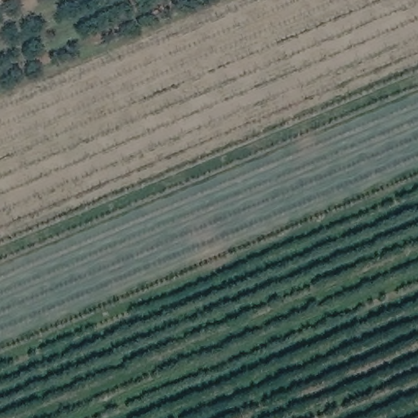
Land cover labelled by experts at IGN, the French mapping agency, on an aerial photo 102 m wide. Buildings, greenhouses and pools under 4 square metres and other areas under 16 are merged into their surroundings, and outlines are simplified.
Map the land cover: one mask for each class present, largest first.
<instances>
[{"label":"deciduous trees","instance_id":"1","mask_svg":"<svg viewBox=\"0 0 418 418\"><path fill-rule=\"evenodd\" d=\"M21 0H0V20L3 13L15 15L16 11H20ZM222 0H59L54 13L56 21L72 18L75 21L73 28L85 38L101 34L103 42L122 36L131 39L149 34L153 28L183 20L199 8L209 7ZM46 23L44 18L28 13L21 21H7L0 31V96L5 95L7 91L15 90L16 85L23 83L26 78H39L42 73L41 29ZM80 56L77 41L72 39L59 49L49 51L52 64L77 59ZM418 168V64L405 67L400 72L390 73L387 77L348 91L345 95L335 96L325 103L302 109L291 118H284L271 126H266L263 131H253L240 139L230 140L227 144L212 149L211 152L201 153L191 160L165 168L157 175L147 176L131 185L113 189L91 201L69 207L67 211L57 212L46 219L26 225L24 229L0 237V341L16 338L24 331L54 322L67 313L78 312L87 305L103 302L108 297L126 292L140 282L152 281L175 269L188 266V261L183 256L186 253L211 247L220 240H224L227 247H233L260 233L271 232L279 225L287 224L289 220L300 219L310 212L325 209L328 204H336L349 196L366 191L371 186L392 180L403 171ZM211 225L216 233L214 237L202 242H188L186 235L201 232ZM418 191V183L398 189L387 198L372 202L371 206L364 209L322 222L307 232L294 233L279 242L269 243L261 250L251 251L248 255L220 266L211 273L202 274L171 291L160 292L155 296L127 304L129 312L152 302L176 296L191 287L199 286L201 282L211 281L220 273L247 265L255 258H261L269 255L271 251L313 237L323 230H330L336 225L366 216L369 212L376 211L377 207L387 206L390 202ZM418 209V201L395 207L394 211L385 212L371 222L356 225L353 229L345 230L333 237L323 238L304 250L282 256L279 260L269 261L266 265L251 269L229 281H222L217 286L207 287L193 296L176 300L173 304L162 305L160 309L145 315L121 320L95 335L65 346L62 351L24 362L16 367L15 371L0 376V384L21 376L23 372L31 371L34 367L64 358L67 354L85 348L95 341L104 340L121 328L149 322L163 313L180 309L189 302H196L202 297L211 296L214 292L235 286L238 282L255 278L268 269L281 268L291 261L304 258L330 243L341 242L362 230L377 227L385 220L400 216L403 212ZM418 225V217L385 232L376 233L374 237L362 242L335 250L330 255L310 261L307 265L292 269L282 276L266 279L260 284L237 292L235 296L222 297L194 312L163 322L158 327L116 341L108 348L93 351L83 358H78L77 361L65 362L42 376L31 377L24 380L23 384L0 392V400L29 389L38 382L62 376L64 372L78 369L87 362L109 356L116 349L150 338L168 328L178 327L180 323L196 320L222 305L253 296L273 284L291 281L300 274L309 273L310 269L331 263L338 256L372 247L379 240ZM418 243V235L405 238L402 242L382 248L372 255L361 256L348 265L317 274L302 286L271 294L258 304L240 307L219 320L202 323L198 327L183 331L181 335L170 336L155 345L132 351L131 354L124 356L119 364L100 367L83 376L73 377L67 384L51 387L0 408V418H11L8 413L16 408L33 402H44L54 395L75 389L83 382L109 372L126 369L134 359L158 353L173 343H181L191 336L198 335L201 331L220 327L230 320L242 317L245 313L268 307L274 300L294 296L320 281L335 278L338 274L380 260ZM418 263V255L390 268L380 269L369 276H362L358 282L330 292L322 299L307 297L304 304L299 307H291L287 312L268 317L265 322L258 325L245 327L237 333H229L214 345L173 354L171 358L155 364L150 371L140 372L136 377L122 380L111 389L96 390L77 402H64L46 408L41 418H73L70 410L85 407L95 398L111 394L114 390L127 385L137 384L145 377L155 376L163 369L175 366L185 359L216 353L250 333L266 330L274 323L289 320L297 313L309 310L310 305L328 304L349 292L359 291L366 284L389 278L392 274ZM418 300V291L389 304L379 305L377 309L369 310L366 315L341 323L322 335L297 341L278 353L268 354L266 358L238 367L237 371L229 372L225 376L194 385L170 397L160 398L147 407L132 411L127 418H155L152 415L153 410L180 402L188 395L227 384L230 380L243 376L245 372L256 371L269 362L284 358L287 354H294L299 349L323 343L348 328L371 322L372 318L380 317L384 312L403 309L410 302ZM362 302H358L349 309L325 312L315 322L302 323L299 328L287 330L282 335L269 336L260 345L238 351L237 354L212 366L198 367L196 371L183 374L176 379L153 385L142 390L140 394L127 397L126 405L155 394L158 390L181 384L185 380L196 379L207 372L219 371L222 367L268 348L273 343L287 340L309 328H318L330 318L358 312ZM418 322V313L366 331L361 336L343 341L335 348L328 349L327 353L315 354L300 364L281 367L260 382L233 390L232 394L219 395L209 402L186 408L178 418H291L287 413L299 405H309L312 400L335 394L345 387L351 394L343 398V407H346L349 403L361 400L374 392L395 384H405L413 377H418V356L398 364L394 369H385L376 376L358 380L353 384H346L345 379L340 380L338 384L327 389L294 398L274 410H269L266 402L278 398L281 394L305 389L320 380L328 379L335 372L362 366L366 362L392 353L395 349L418 341V330L397 336L395 340L353 356L348 361L333 364L318 374L294 380L289 385L271 390L256 402L242 403L238 407L225 410L222 402L235 400L238 395L251 394L253 390L261 389L269 382L281 379L291 372L304 371L313 364L327 361L328 358L343 353L346 348H358L367 340L384 335L392 328ZM95 327V323L83 322L78 323L77 327L70 331H62L59 335L41 341L39 349L56 345L65 338H72L88 328ZM418 394V385L413 389L382 398L362 410H356L349 418H377L374 410L389 407L390 403L397 402L400 398Z\"/></svg>","mask_w":418,"mask_h":418},{"label":"agricultural land","instance_id":"2","mask_svg":"<svg viewBox=\"0 0 418 418\"><path fill-rule=\"evenodd\" d=\"M418 64V0H222L209 7L199 8L183 20L153 28L149 34L131 39L113 51L104 52L83 64L73 65L72 69L60 73L57 77L46 80L39 78H26L23 83L16 85L15 90L7 91L5 95L0 96V237L24 229L26 225L46 219L57 212L67 211L69 207L91 201L113 189L131 185L147 176L157 175L165 168L191 160L201 153L211 152L212 149L227 144L230 140L240 139L253 131H263L266 126H271L284 118H291L302 109L325 103L335 96L345 95L348 91L387 77L390 73L400 72L405 67Z\"/></svg>","mask_w":418,"mask_h":418},{"label":"herbaceous vegetation","instance_id":"3","mask_svg":"<svg viewBox=\"0 0 418 418\"><path fill-rule=\"evenodd\" d=\"M59 0H21L20 11H16L15 15L3 13L0 20V31L7 21H21L28 13L44 18L46 23L41 29L42 73L39 78L46 80L57 77L60 73L72 69L73 65L83 64L104 52L113 51L131 39L122 36L103 42L101 34L85 38L73 28L75 21L72 18L56 21L54 13ZM72 39L77 41L80 56L77 59L52 64L49 51L59 49ZM418 183V168L403 171L392 180L371 186L366 191L349 196L336 204H328L325 209L310 212L300 219L289 220L287 224L279 225L271 232L260 233L233 247H227L224 240H220L211 247L186 253L183 256L188 261V266L175 269L152 281L140 282L126 292L108 297L103 302L87 305L78 312L67 313L54 322L24 331L16 338L0 341V376L15 371L16 367L24 362L62 351L65 346L95 335L121 320L145 315L160 309L162 305L173 304L176 300L193 296L207 287L217 286L222 281H229L251 269L266 265L269 261L279 260L282 256L304 250L323 238L333 237L345 230L353 229L356 225L371 222L385 212L394 211L395 207L418 201V191L390 202L387 206L377 207L376 211L369 212L366 216L336 225L330 230H323L313 237L271 251L269 255L261 258H255L247 265L220 273L211 281L201 282L199 286L191 287L176 296L152 302L129 312L127 304L155 296L160 292L171 291L202 274L211 273L220 266L248 255L251 251L261 250L269 243L279 242L294 233L307 232L322 222L364 209L371 206L372 202L387 198L398 189ZM83 322L95 323V327L88 328L72 338H65L56 345L39 349L41 341L59 335L62 331H70L77 327L78 323ZM418 217V209L403 212L400 216L385 220L377 227L362 230L341 242L330 243L304 258L291 261L281 268L268 269L255 278L238 282L235 286L214 292L211 296L202 297L196 302H189L180 309L163 313L149 322L121 328L104 340L95 341L85 348L67 354L64 358L34 367L31 371L23 372L21 376L0 384V392L23 384L24 380L31 377L42 376L65 362L77 361L78 358H83L93 351L108 348L116 341L158 327L163 322L194 312L222 297L235 296L237 292L260 284L266 279L282 276L292 269L307 265L310 261L330 255L335 250L362 242L374 237L376 233L385 232ZM216 233L211 225L201 232L186 235L188 242H202L214 237ZM418 235V225L379 240L372 247L338 256L331 263L310 269L309 273L300 274L291 281L273 284L253 296L222 305L196 320L180 323L178 327L168 328L150 338L116 349L109 356L87 362L78 369L64 372L62 376L38 382L29 389L0 400V408L51 387L67 384L73 377L83 376L100 367L119 364L124 356L131 354L132 351L155 345L170 336L181 335L183 331L198 327L202 323L219 320L240 307L258 304L271 294L302 286L317 274L348 265L361 256L372 255L382 248L402 242L405 238ZM418 255V243L380 260L338 274L335 278L320 281L294 296L274 300L268 307L245 313L242 317L230 320L220 327L201 331L198 335L191 336L181 343H173L158 353L134 359L126 369L109 372L83 382L75 389L54 395L44 402H33L16 408L8 413L11 418H41L46 408L64 402H77L96 390L111 389L122 380L136 377L140 372L150 371L155 364L171 358L173 354L214 345L229 333H237L245 327L258 325L265 322L268 317L287 312L291 307H299L304 304L307 297L322 299L330 292L358 282L362 276H369L380 269L390 268ZM418 291V263L392 274L389 278L366 284L359 291L349 292L328 304L310 305L309 310L297 313L289 320L274 323L266 330L250 333L216 353L185 359L175 366L163 369L155 376L145 377L137 384L127 385L114 390L111 394L95 398L85 407L70 410L73 418H127L132 411L147 407L160 398L170 397L194 385L225 376L229 372L237 371L238 367L266 358L268 354L278 353L297 341L322 335L341 323L366 315L369 310L377 309L379 305L389 304ZM358 302H362L358 312L330 318L318 328H309L287 340L273 343L268 348L222 367L219 371L207 372L196 379L185 380L181 384L158 390L155 394L126 405L127 397L140 394L142 390L153 385L176 379L183 374L196 371L198 367L212 366L237 354L238 351L260 345L269 336L282 335L287 330L299 328L302 323L315 322L325 312L349 309ZM418 313V300L410 302L403 309L384 312L380 317L372 318L371 322L348 328L323 343L299 349L294 354H287L284 358L269 362L256 371L245 372L243 376L230 380L227 384L188 395L180 402L153 410L152 415L155 418H178L186 408L209 402L219 395L232 394L233 390L260 382L281 367L300 364L315 354L327 353L328 349L335 348L343 341L361 336L366 331ZM418 330V322L392 328L384 335L367 340L358 348H346L343 353L328 358L327 361L313 364L304 371L291 372L281 379L269 382L261 389L253 390L251 394L238 395L235 400L222 402L225 410L238 407L242 403L256 402L271 390L289 385L294 380L318 374L333 364L348 361L353 356L395 340L397 336ZM418 356V341L395 349L392 353L366 362L362 366L335 372L328 379L320 380L305 389L281 394L278 398L266 402L269 410H274L294 398L327 389L338 384L340 380L345 379L346 384H353L358 380L376 376L385 369H394L398 364ZM418 385V377H413L405 384H395L374 392L361 400L349 403L346 407H343V398L351 394L345 387L335 394L312 400L309 405H299L287 413L291 418H349L356 410H362L382 398L413 389ZM377 418H418V394L400 398L397 402L390 403L389 407L374 410Z\"/></svg>","mask_w":418,"mask_h":418}]
</instances>
